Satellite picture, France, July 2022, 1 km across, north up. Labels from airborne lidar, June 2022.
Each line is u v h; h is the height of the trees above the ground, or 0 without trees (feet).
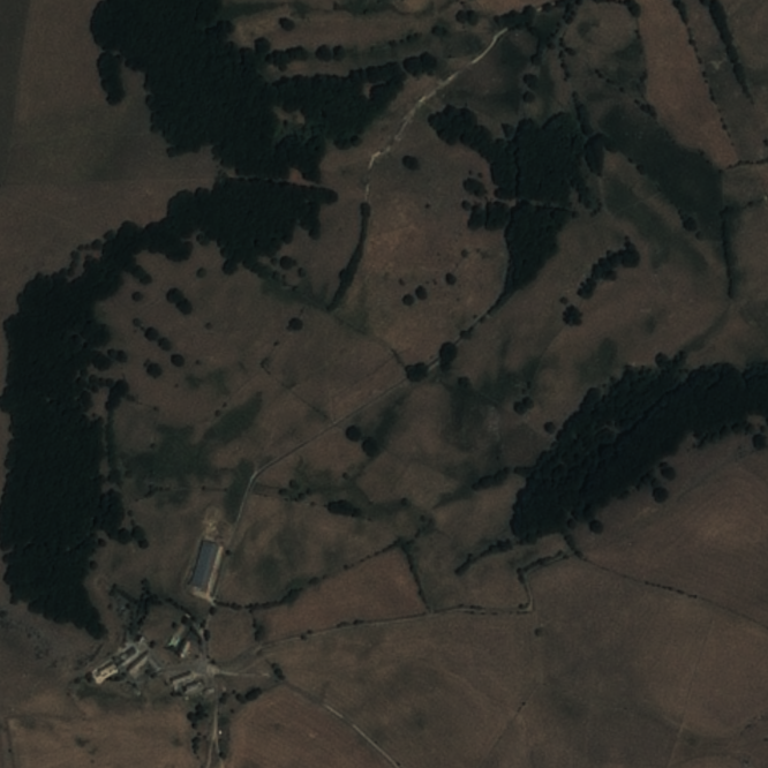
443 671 0
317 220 41
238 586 0
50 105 0
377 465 0
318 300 0
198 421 0
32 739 0
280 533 0
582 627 0
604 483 76
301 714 0
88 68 0
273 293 0
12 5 0
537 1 0
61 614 51
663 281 0
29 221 0
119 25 49
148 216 0
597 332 0
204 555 0
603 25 0
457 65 0
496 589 0
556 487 47
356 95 56
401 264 0
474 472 0
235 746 0
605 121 0
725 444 0
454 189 0
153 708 0
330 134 47
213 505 0
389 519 0
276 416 0
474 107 0
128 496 0
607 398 37
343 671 0
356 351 0
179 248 51
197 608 0
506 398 0
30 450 43
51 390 49
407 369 32
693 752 0
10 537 33
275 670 25
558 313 0
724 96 0
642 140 0
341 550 0
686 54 0
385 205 0
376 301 0
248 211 49
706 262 0
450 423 0
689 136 0
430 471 0
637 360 0
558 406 0
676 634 0
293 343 0
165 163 0
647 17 0
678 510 0
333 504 35
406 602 0
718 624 0
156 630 0
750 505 0
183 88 58
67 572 64
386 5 0
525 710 0
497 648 0
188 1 78
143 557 0
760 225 0
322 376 0
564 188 67
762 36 0
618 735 0
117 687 0
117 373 0
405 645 0
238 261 47
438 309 0
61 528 64
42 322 50
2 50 0
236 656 0
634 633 0
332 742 0
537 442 0
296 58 70
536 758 0
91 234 0
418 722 0
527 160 66
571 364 0
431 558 0
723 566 0
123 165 0
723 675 0
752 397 66
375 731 0
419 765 0
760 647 0
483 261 0
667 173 0
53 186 0
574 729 0
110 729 0
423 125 0
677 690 0
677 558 0
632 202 0
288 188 74
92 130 0
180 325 0
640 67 0
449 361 57
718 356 0
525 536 29
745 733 0
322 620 0
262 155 60
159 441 0
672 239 0
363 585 0
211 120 42
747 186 0
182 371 0
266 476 0
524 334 0
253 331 0
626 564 0
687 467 0
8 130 0
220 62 70
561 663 0
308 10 0
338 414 0
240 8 0
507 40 0
